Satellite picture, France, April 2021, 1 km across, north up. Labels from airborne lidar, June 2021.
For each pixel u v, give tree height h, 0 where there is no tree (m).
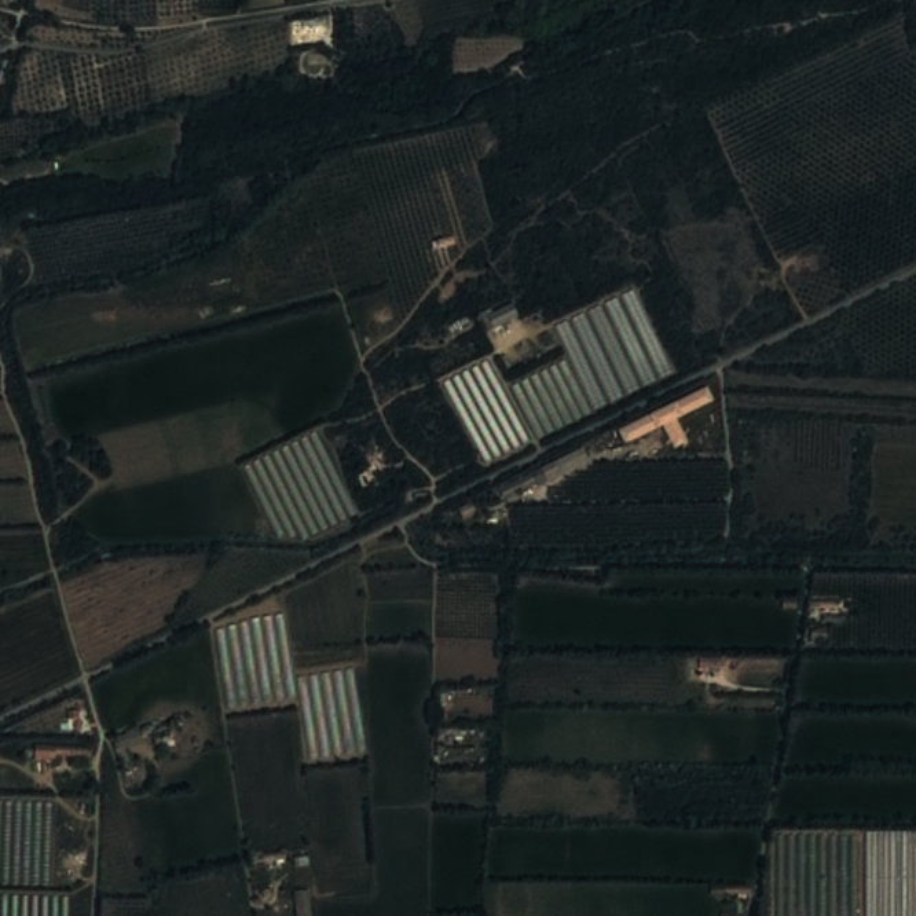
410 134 7
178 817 0
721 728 0
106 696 0
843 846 0
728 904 6
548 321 8
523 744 0
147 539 0
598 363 0
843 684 0
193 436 0
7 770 0
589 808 0
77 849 0
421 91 14
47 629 0
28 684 0
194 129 12
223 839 0
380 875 0
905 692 0
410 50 10
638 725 0
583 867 0
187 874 12
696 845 0
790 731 13
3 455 0
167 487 0
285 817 0
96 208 6
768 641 0
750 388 5
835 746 0
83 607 0
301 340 0
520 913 0
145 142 0
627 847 0
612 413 9
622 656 13
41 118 7
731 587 0
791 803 0
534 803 0
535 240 8
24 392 9
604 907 0
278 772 0
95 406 0
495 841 0
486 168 6
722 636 0
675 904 0
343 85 10
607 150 6
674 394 7
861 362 7
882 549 7
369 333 0
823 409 0
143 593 0
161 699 0
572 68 6
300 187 17
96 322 0
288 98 14
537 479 0
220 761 0
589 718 0
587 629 0
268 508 0
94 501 0
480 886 10
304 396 0
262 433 0
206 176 6
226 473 0
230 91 6
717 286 0
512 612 10
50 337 0
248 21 0
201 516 0
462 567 7
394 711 0
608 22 10
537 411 0
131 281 7
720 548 8
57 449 10
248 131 7
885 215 6
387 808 0
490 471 6
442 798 0
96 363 8
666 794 8
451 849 0
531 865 0
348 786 0
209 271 0
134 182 10
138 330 0
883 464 0
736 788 12
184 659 0
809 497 0
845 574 12
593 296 6
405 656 0
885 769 15
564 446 6
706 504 11
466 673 0
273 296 0
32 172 0
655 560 12
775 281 0
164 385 0
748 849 0
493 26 13
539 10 18
